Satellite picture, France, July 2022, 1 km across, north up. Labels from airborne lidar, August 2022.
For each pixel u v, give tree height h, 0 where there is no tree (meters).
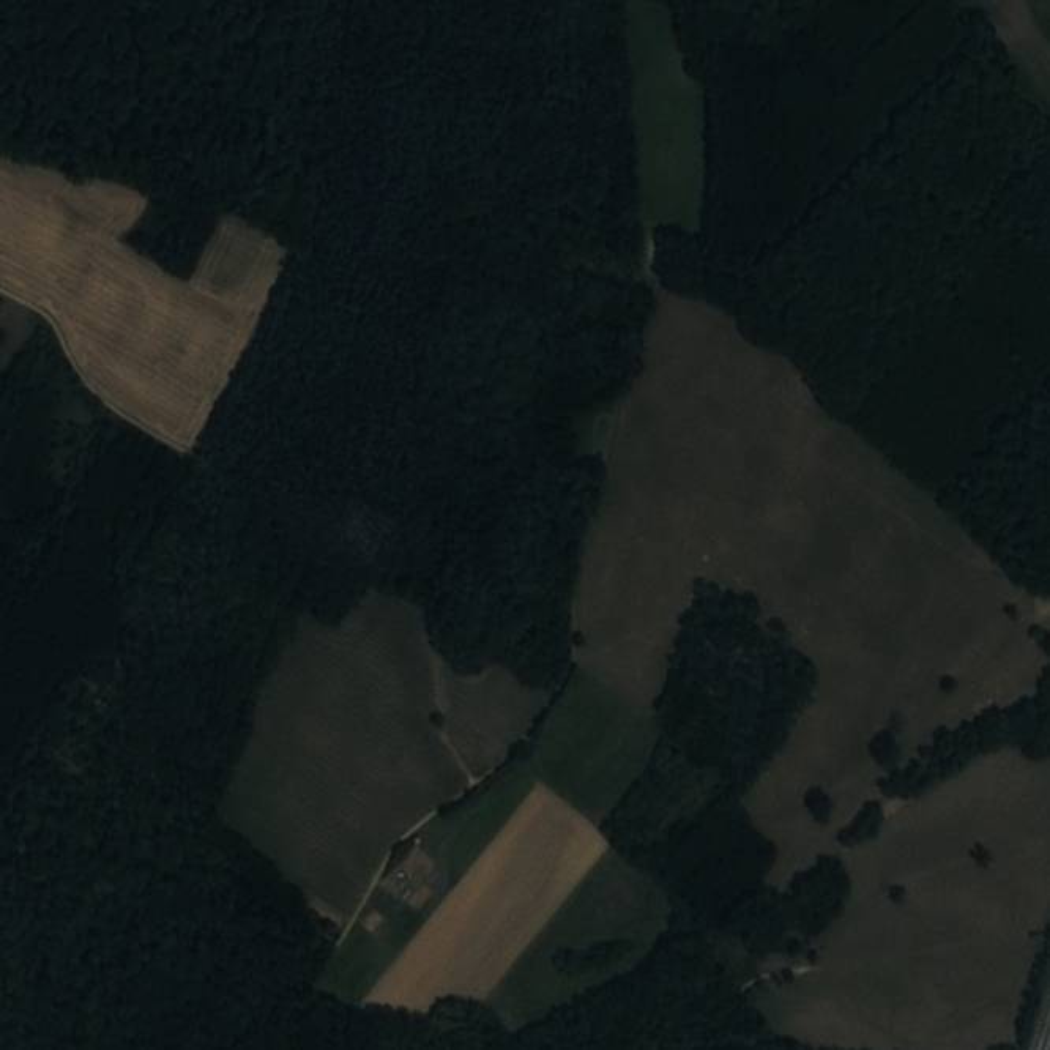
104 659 12
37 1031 25
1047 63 0
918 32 11
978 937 0
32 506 17
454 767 0
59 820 21
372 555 24
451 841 0
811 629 0
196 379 0
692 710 6
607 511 0
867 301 24
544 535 21
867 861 0
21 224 0
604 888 0
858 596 0
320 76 6
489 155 30
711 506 0
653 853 8
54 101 28
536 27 21
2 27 28
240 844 16
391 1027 27
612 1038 23
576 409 8
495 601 23
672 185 0
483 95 22
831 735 0
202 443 14
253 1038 26
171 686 24
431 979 0
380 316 24
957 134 26
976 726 10
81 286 0
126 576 18
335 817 0
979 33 17
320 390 25
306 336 25
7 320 0
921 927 0
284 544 25
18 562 9
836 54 13
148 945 24
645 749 0
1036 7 0
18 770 18
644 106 0
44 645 17
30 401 15
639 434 0
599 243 25
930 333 10
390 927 0
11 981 24
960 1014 0
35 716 11
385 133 22
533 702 0
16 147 22
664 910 0
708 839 14
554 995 0
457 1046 16
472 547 20
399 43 27
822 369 24
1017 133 23
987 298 8
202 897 28
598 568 0
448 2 24
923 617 0
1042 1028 0
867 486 0
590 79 31
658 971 25
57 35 26
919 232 24
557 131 26
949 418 15
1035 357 14
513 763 9
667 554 0
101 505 16
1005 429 26
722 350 0
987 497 24
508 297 23
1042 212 22
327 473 25
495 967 0
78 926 8
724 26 20
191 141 25
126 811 21
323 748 0
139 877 23
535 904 0
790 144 12
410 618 0
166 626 19
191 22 29
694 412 0
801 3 25
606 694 0
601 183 30
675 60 0
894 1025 0
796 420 0
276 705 0
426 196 30
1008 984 0
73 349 0
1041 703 15
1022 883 0
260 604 25
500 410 27
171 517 23
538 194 26
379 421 18
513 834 0
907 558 0
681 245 23
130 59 29
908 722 0
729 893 15
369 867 0
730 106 22
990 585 0
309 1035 26
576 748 0
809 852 0
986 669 0
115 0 28
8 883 19
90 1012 28
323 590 26
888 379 13
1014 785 0
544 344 29
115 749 7
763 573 0
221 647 19
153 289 0
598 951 12
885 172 25
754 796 0
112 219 0
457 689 0
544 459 27
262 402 22
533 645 19
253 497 26
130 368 0
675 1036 8
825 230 25
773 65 10
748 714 28
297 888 8
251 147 30
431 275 22
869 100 11
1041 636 10
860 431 9
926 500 0
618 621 0
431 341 23
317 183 17
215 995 29
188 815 31
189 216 21
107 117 27
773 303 28
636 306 12
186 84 28
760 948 22
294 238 23
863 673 0
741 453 0
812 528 0
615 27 22
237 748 22
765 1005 0
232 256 0
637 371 18
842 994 0
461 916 0
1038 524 31
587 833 0
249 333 0
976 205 20
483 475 27
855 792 0
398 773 0
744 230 22
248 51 28
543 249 30
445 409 29
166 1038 26
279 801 0
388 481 22
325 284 19
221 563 24
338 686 0
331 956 12
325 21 29
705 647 24
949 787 0
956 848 0
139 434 13
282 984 27
